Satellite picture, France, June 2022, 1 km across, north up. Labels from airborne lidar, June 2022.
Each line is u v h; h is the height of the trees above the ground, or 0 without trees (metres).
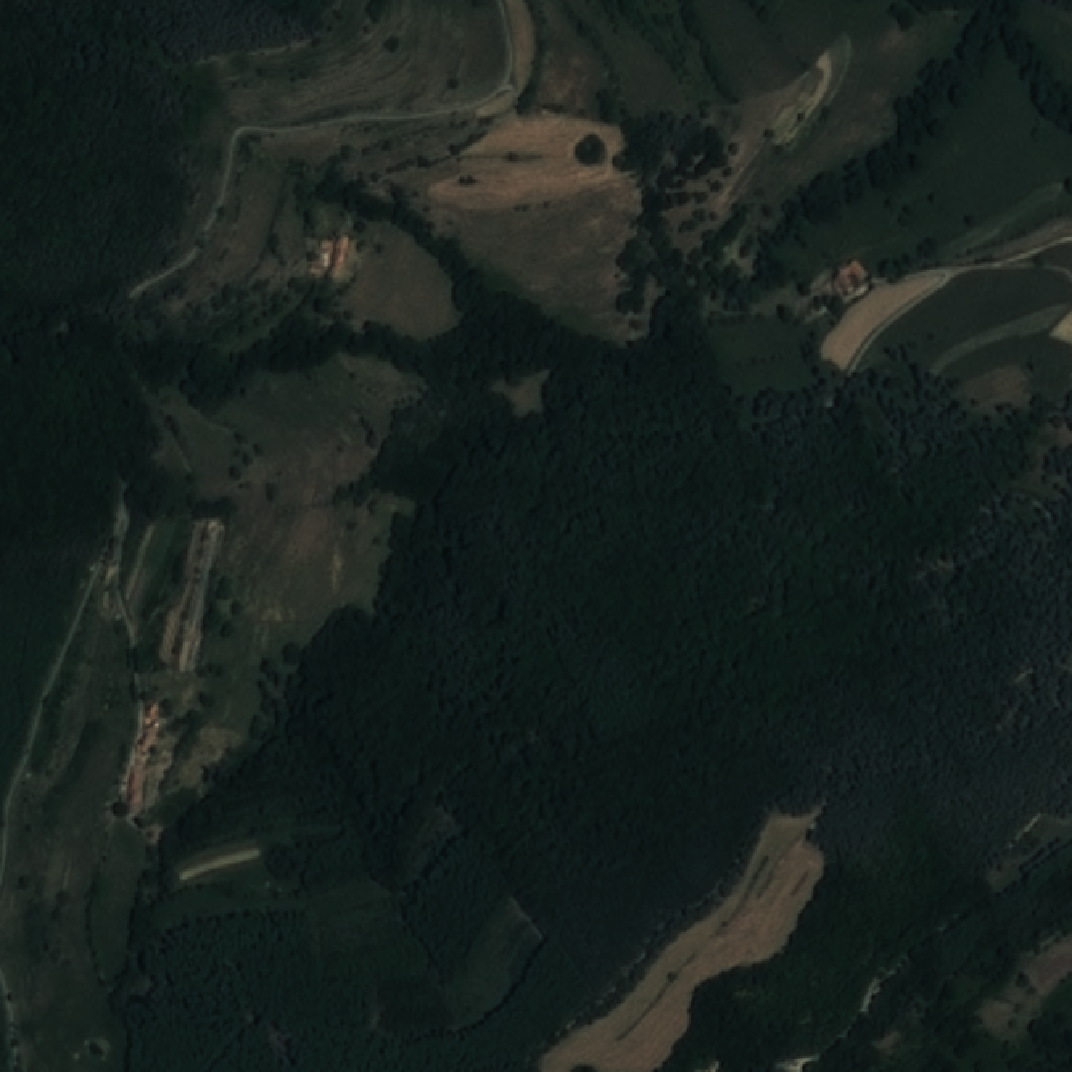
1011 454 14
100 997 0
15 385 23
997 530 14
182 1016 20
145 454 8
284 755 15
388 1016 7
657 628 16
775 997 12
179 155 19
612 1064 0
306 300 8
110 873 0
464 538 22
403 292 0
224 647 0
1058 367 0
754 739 6
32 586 19
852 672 18
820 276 0
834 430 15
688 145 16
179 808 0
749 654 13
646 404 16
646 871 8
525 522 24
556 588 19
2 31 27
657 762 12
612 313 0
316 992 19
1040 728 17
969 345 0
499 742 16
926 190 0
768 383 0
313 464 0
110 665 0
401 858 16
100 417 18
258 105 0
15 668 20
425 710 23
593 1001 8
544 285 0
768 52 0
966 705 13
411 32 0
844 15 0
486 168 0
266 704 11
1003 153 0
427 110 0
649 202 15
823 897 21
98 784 0
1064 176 0
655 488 19
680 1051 15
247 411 0
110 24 20
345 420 0
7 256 19
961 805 11
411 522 22
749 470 19
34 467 23
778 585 11
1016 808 16
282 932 19
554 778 18
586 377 25
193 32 17
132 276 15
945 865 16
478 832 13
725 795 9
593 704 20
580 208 0
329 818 17
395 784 24
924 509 16
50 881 0
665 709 16
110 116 16
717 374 12
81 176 28
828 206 30
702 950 0
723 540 16
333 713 26
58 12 25
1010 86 0
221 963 19
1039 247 0
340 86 0
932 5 22
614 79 7
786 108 0
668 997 0
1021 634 16
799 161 0
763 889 0
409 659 20
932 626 20
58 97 22
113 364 16
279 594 0
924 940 13
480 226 0
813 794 15
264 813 11
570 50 0
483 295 22
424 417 10
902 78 0
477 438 10
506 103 0
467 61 0
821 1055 9
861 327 0
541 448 17
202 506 9
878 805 19
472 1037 19
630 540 19
